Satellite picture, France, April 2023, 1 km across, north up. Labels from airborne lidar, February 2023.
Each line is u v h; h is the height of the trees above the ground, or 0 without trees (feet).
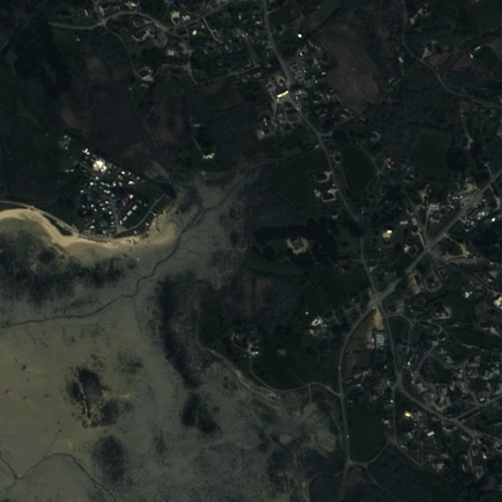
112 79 0
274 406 0
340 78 0
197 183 0
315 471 0
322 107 27
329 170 0
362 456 0
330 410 0
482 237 41
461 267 20
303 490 0
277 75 0
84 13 0
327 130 28
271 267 0
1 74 0
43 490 0
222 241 0
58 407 0
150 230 0
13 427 0
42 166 0
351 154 0
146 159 0
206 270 0
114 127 0
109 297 0
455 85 26
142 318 0
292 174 0
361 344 0
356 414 0
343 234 0
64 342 0
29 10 50
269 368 0
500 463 50
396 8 25
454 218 0
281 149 19
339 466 0
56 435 0
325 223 40
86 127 0
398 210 33
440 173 0
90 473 0
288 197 0
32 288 0
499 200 0
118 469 0
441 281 0
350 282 0
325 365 27
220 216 0
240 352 0
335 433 0
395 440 0
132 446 0
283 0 22
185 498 0
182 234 0
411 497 37
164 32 0
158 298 0
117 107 0
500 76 27
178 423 0
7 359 0
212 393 0
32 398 0
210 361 0
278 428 0
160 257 0
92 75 0
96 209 42
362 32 0
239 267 0
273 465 0
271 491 0
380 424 0
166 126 0
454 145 23
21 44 45
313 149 19
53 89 55
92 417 0
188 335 0
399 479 24
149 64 0
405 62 42
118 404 0
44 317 0
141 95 0
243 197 0
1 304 0
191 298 0
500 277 0
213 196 0
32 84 0
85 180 0
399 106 25
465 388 0
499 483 0
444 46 0
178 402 0
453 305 0
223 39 0
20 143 0
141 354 0
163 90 0
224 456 0
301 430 0
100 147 0
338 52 0
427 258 0
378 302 0
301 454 0
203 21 22
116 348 0
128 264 0
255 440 0
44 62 0
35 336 0
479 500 29
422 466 0
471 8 0
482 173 22
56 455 0
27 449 0
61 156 0
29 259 0
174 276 0
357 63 0
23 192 0
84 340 0
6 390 0
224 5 0
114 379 0
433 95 22
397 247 28
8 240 0
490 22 0
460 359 35
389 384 0
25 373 0
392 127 39
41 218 0
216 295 0
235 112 19
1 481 0
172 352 0
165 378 0
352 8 33
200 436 0
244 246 0
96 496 0
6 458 0
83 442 0
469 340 0
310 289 0
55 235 0
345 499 0
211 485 0
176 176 0
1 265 0
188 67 0
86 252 0
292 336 49
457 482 20
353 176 0
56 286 0
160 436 0
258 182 0
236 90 0
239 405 0
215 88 0
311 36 22
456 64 0
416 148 0
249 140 0
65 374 0
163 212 0
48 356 0
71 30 0
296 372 0
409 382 0
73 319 0
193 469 0
